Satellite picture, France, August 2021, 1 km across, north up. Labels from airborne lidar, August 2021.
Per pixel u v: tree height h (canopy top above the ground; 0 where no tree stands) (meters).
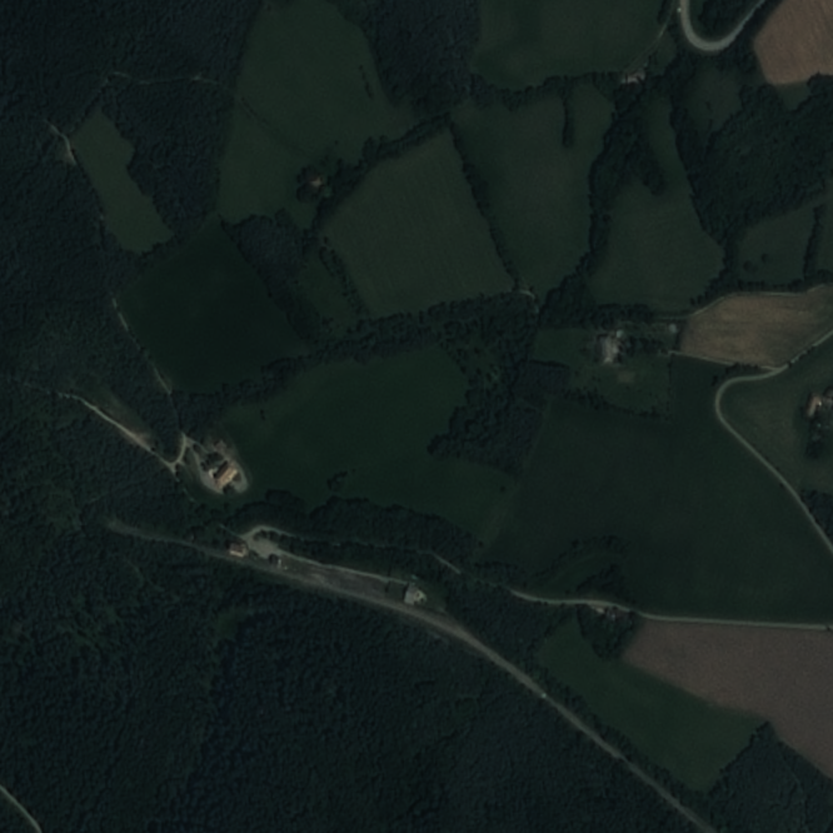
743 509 0
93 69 13
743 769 13
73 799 26
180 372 0
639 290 0
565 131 9
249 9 12
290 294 8
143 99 12
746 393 0
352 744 29
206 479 0
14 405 22
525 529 0
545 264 0
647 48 0
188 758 27
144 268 13
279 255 18
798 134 6
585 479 0
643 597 0
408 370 0
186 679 19
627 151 23
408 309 0
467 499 0
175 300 0
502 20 0
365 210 0
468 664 10
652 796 17
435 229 0
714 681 0
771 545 0
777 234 0
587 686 0
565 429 0
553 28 0
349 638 24
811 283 8
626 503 0
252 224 13
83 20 16
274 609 26
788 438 0
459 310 15
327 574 0
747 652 0
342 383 0
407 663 17
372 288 0
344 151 0
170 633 26
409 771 16
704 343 0
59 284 15
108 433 8
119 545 14
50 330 6
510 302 13
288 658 30
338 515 18
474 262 0
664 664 0
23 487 15
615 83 19
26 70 18
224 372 0
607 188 25
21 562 16
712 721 0
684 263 0
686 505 0
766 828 12
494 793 15
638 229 0
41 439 11
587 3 0
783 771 9
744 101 10
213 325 0
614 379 0
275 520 13
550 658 0
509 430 19
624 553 6
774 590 0
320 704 25
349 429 0
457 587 18
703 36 0
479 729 15
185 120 17
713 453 0
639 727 0
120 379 7
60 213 14
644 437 0
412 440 0
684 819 15
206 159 18
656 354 12
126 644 28
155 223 0
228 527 10
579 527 0
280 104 0
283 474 0
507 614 16
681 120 20
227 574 9
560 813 20
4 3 12
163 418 7
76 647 27
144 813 25
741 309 0
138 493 11
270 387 12
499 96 10
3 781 24
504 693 12
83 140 0
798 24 0
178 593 19
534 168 0
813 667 0
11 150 13
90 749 26
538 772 16
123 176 0
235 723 30
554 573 6
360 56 0
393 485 0
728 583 0
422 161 0
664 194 14
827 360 0
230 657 19
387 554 18
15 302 19
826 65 0
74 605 25
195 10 18
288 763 24
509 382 10
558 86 18
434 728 17
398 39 16
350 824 24
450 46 8
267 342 0
